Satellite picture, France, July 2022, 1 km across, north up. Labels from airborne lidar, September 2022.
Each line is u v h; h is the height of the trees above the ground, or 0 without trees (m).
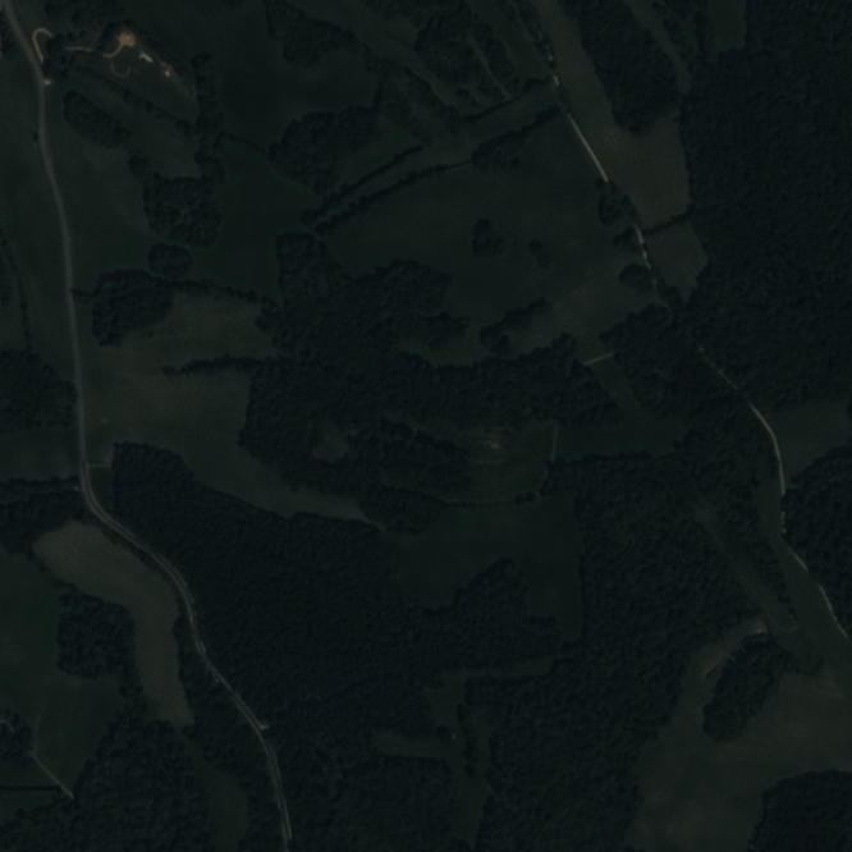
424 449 24
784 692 0
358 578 22
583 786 24
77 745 0
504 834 21
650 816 0
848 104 9
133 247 0
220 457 0
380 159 0
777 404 17
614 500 17
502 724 19
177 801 22
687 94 0
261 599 18
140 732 19
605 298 0
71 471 0
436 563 0
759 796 0
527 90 9
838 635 0
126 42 0
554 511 0
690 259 0
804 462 0
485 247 17
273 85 0
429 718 16
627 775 25
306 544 15
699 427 17
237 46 0
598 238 0
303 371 27
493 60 18
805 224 17
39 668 0
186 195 16
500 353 19
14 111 0
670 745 0
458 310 0
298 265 17
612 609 23
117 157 0
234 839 0
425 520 21
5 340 0
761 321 16
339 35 18
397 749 0
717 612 20
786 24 19
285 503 0
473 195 0
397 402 21
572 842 20
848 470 19
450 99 0
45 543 0
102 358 0
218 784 0
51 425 8
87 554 0
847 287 23
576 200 0
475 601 21
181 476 14
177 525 19
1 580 0
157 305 17
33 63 0
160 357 0
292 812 9
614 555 17
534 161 0
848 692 0
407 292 17
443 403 21
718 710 15
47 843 7
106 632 22
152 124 0
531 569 0
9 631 0
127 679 11
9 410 17
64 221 0
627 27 25
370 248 0
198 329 0
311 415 21
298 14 10
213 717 21
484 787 0
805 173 19
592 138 0
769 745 0
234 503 18
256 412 14
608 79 21
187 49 0
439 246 0
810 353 22
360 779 19
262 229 0
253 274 0
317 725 20
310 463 18
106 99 0
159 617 0
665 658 19
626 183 0
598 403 21
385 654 20
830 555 19
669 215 0
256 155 7
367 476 15
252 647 15
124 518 13
